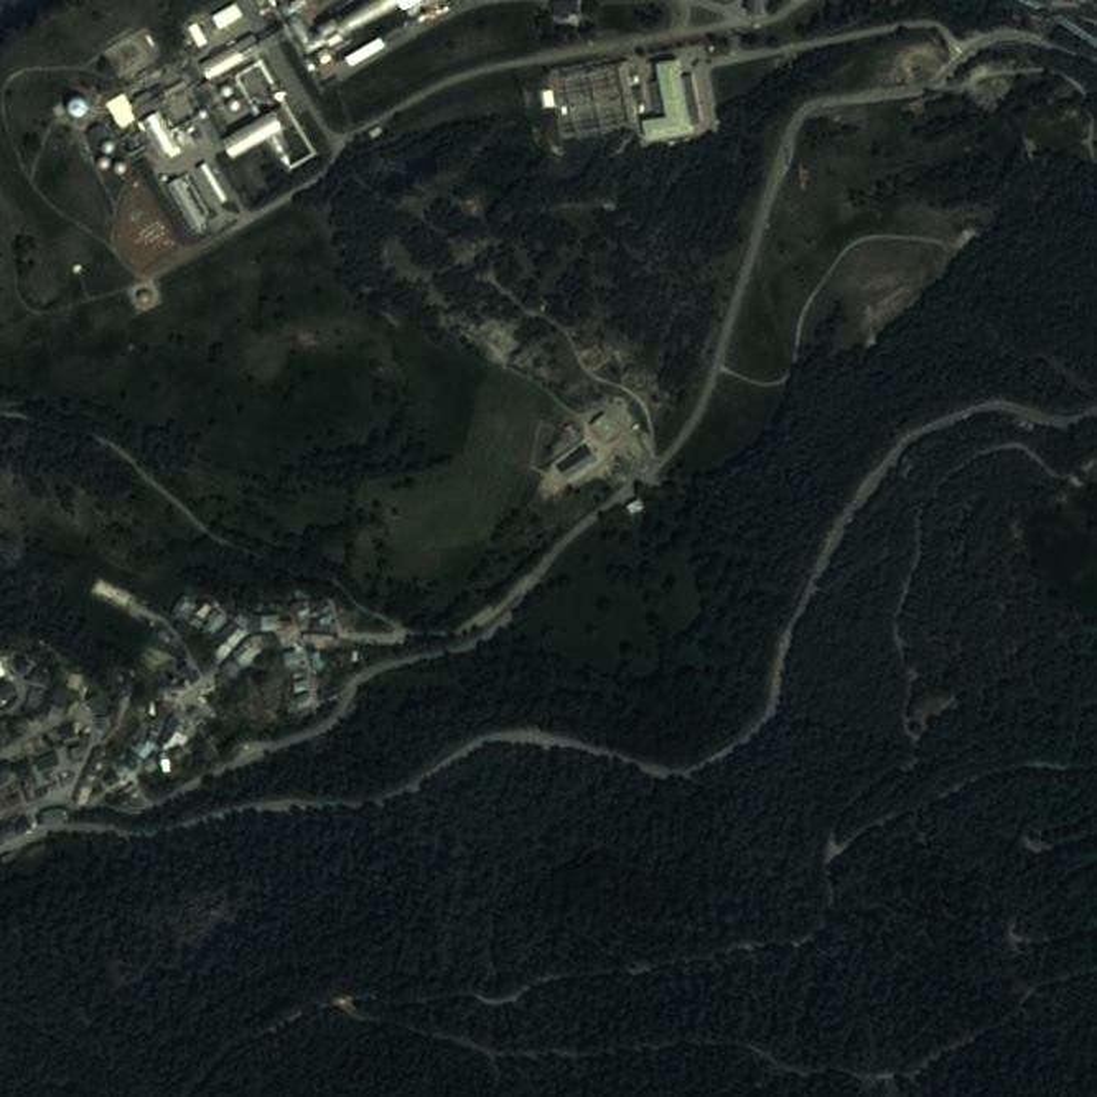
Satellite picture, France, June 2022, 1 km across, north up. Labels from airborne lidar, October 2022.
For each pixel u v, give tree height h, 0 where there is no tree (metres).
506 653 17
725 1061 22
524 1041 15
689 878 17
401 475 9
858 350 11
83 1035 18
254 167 0
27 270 8
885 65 0
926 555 10
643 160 11
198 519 10
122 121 0
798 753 18
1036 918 16
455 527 0
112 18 0
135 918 15
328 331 0
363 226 11
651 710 21
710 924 8
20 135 0
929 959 19
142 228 0
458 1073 15
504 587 12
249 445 0
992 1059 17
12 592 16
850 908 13
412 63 0
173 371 0
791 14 0
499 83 0
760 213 0
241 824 22
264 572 17
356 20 0
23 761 7
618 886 10
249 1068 17
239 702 0
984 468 12
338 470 15
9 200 0
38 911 24
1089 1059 13
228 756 10
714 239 8
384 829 20
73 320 0
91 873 13
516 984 17
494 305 8
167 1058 19
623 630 0
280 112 0
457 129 13
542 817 24
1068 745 19
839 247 0
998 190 10
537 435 0
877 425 11
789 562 13
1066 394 20
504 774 16
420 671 10
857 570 8
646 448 0
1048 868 14
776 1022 10
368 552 0
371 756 16
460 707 19
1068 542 0
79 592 0
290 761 15
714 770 18
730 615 17
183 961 8
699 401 0
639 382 0
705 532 13
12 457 11
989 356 15
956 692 13
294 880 20
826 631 15
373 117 0
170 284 0
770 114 8
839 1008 11
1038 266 14
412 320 6
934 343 12
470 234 12
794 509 16
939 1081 13
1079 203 12
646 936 21
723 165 7
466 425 0
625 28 0
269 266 0
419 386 0
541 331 7
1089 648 16
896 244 0
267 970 13
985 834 20
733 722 20
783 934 14
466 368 0
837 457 14
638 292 8
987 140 10
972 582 15
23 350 0
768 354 0
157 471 6
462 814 17
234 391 0
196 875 16
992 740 20
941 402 17
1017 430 12
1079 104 11
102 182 0
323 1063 15
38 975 18
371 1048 17
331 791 21
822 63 12
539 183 14
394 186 8
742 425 0
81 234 0
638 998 16
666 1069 17
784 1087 13
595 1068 18
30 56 0
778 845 24
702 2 0
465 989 15
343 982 21
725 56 0
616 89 0
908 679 14
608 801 25
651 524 15
